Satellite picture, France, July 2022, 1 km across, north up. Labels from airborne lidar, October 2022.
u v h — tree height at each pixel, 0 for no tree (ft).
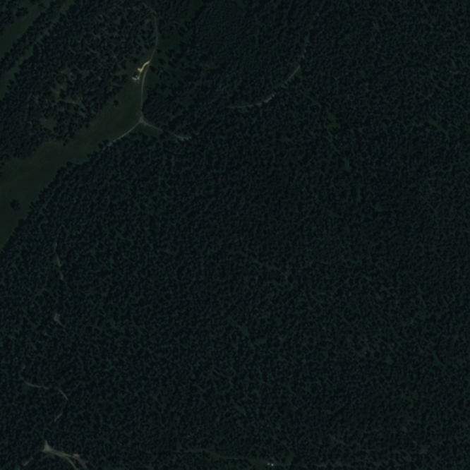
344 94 59
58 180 34
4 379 69
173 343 68
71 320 38
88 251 111
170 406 70
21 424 28
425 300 57
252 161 35
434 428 60
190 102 0
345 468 28
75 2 0
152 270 26
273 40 80
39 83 69
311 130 102
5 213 0
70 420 70
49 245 69
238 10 54
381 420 81
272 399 61
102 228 107
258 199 45
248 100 92
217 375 75
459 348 48
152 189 40
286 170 44
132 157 34
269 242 31
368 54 22
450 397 86
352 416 64
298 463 88
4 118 82
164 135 32
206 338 76
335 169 32
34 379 23
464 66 87
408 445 61
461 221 25
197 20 40
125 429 74
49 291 33
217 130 79
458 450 93
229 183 59
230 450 26
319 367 76
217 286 38
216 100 78
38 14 0
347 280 88
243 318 20
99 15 55
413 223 95
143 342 98
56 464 62
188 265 89
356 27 63
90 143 0
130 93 0
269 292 60
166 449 38
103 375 73
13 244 76
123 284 99
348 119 37
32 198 0
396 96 44
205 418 44
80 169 78
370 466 58
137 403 77
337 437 55
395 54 74
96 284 76
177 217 99
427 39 58
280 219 54
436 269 42
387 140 94
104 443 55
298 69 0
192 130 26
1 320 62
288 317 60
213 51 44
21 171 0
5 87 0
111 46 61
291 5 30
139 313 74
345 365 49
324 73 69
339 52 32
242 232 31
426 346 55
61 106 28
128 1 54
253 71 53
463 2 30
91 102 31
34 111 68
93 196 88
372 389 55
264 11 71
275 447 42
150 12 65
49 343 102
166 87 71
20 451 87
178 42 0
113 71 45
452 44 59
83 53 58
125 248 82
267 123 43
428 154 34
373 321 36
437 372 114
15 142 82
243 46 34
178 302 53
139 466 46
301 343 52
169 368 70
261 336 60
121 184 82
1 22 34
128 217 75
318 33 75
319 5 79
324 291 73
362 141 94
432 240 62
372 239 34
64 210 100
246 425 94
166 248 99
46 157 0
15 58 42
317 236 73
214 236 54
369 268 40
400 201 52
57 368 65
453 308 34
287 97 103
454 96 52
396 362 86
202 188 70
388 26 68
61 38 67
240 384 68
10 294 83
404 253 27
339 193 23
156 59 0
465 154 44
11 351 124
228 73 68
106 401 94
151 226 52
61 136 28
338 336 32
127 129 0
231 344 40
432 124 0
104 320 102
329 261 69
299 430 48
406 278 24
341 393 60
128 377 86
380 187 74
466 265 68
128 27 56
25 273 96
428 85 45
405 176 56
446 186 43
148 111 50
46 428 30
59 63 69
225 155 41
